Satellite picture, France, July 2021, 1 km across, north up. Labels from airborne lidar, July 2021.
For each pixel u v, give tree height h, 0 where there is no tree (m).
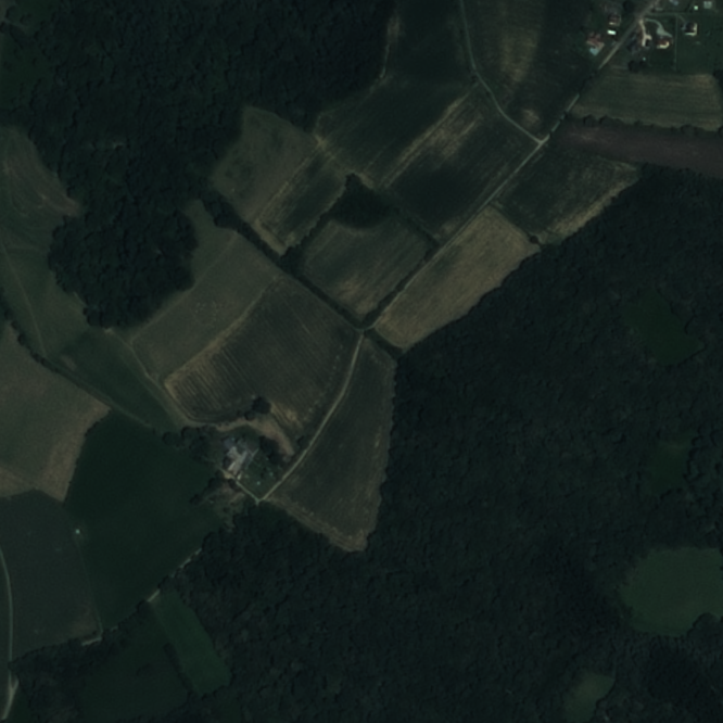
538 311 26
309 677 35
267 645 20
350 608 24
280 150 0
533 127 0
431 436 26
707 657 14
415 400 19
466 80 0
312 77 14
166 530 0
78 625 0
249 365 0
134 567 0
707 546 22
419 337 0
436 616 15
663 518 17
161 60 23
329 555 23
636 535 22
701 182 13
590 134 0
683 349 0
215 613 25
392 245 0
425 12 0
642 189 11
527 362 17
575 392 21
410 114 0
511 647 18
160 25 27
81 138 26
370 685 19
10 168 0
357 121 0
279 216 0
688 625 0
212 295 0
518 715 16
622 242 26
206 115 18
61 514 0
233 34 28
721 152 0
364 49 20
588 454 22
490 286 0
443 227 0
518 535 20
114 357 0
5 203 0
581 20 0
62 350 0
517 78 0
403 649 18
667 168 7
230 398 0
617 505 18
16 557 0
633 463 27
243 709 12
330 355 0
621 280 16
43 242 0
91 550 0
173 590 13
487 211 0
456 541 21
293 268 11
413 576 28
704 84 0
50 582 0
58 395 0
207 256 0
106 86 26
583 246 21
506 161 0
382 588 26
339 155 0
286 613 25
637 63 12
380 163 0
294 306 0
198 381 0
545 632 17
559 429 24
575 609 26
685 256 21
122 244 25
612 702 16
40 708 23
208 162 27
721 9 0
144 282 25
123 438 0
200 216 0
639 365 20
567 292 22
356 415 0
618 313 17
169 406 0
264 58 25
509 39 0
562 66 0
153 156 27
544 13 0
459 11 6
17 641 0
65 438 0
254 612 22
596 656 13
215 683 0
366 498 0
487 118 0
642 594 0
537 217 0
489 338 16
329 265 0
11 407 0
